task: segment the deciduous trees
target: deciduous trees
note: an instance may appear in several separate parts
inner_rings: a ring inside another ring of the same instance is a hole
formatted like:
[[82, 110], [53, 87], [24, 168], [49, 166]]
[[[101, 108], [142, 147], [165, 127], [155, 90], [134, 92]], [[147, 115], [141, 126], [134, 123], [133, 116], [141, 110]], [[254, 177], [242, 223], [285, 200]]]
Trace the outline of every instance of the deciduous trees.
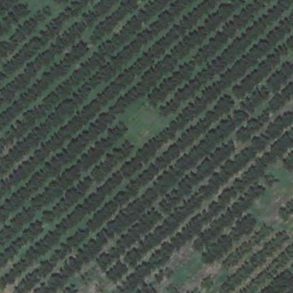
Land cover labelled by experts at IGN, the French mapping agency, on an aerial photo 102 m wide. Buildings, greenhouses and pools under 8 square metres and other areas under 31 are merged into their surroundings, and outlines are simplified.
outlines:
[[293, 293], [293, 0], [0, 0], [0, 293]]

